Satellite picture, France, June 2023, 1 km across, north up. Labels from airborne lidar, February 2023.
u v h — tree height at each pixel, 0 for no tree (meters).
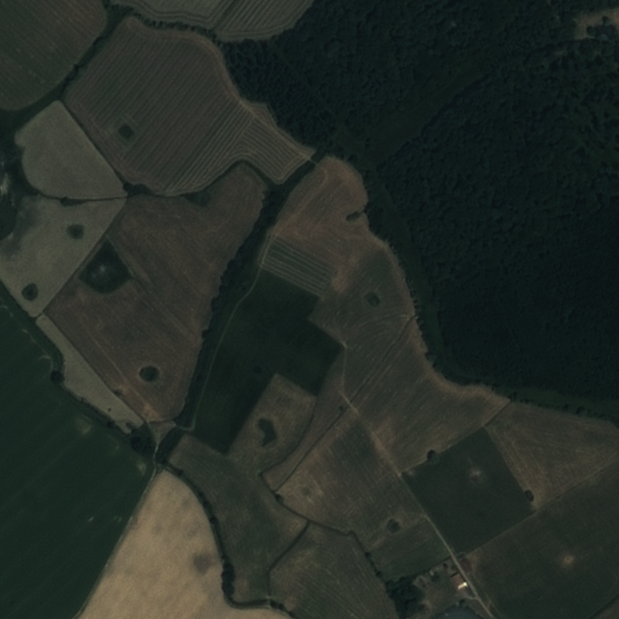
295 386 0
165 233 0
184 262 0
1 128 0
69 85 11
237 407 0
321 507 0
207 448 0
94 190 0
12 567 0
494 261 25
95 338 0
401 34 26
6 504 0
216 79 0
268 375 0
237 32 0
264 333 0
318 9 18
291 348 0
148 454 11
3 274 0
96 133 0
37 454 0
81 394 0
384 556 0
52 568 0
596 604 0
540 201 31
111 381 0
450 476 0
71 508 0
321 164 0
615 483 0
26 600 0
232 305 0
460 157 30
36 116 0
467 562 0
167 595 0
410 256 0
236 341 0
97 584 0
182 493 0
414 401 0
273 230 0
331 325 0
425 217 25
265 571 0
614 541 0
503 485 0
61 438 0
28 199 0
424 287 0
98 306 0
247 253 10
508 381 11
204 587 0
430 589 0
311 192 0
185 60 0
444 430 0
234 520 0
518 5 27
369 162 0
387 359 0
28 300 0
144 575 0
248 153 0
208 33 10
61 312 0
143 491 0
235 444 0
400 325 0
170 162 0
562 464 0
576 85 31
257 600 0
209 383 0
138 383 0
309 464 0
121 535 0
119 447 0
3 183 0
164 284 0
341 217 0
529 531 0
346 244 0
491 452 0
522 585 0
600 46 17
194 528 0
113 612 0
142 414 0
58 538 0
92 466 0
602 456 0
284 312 0
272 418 0
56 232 0
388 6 31
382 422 0
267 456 0
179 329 0
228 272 8
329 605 0
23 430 0
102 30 0
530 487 0
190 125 0
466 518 0
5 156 0
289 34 16
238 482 0
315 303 0
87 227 0
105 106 0
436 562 0
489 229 30
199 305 0
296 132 12
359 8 25
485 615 0
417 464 0
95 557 0
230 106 0
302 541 0
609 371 18
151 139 0
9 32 0
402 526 0
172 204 0
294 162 0
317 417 0
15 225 0
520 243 25
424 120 0
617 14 0
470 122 26
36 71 0
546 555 0
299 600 0
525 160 28
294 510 0
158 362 0
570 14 14
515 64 21
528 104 29
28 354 0
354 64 26
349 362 0
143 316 0
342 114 19
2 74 0
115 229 0
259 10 0
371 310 0
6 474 0
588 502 0
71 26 0
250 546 0
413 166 25
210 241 0
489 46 23
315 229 0
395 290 0
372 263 0
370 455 0
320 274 0
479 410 0
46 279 0
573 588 0
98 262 0
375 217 14
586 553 0
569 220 23
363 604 0
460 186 31
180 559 0
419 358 0
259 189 0
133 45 0
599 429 0
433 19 27
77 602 0
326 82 22
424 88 25
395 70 27
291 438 0
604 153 29
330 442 0
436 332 0
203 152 0
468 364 11
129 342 0
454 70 17
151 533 0
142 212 0
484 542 0
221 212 0
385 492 0
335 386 0
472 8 28
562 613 0
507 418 0
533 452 0
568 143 27
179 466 0
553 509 0
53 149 0
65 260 0
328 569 0
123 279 0
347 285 0
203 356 6
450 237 27
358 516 0
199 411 0
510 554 0
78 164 0
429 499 0
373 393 0
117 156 0
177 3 0
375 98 24
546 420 0
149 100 0
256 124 0
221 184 0
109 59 0
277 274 0
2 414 0
